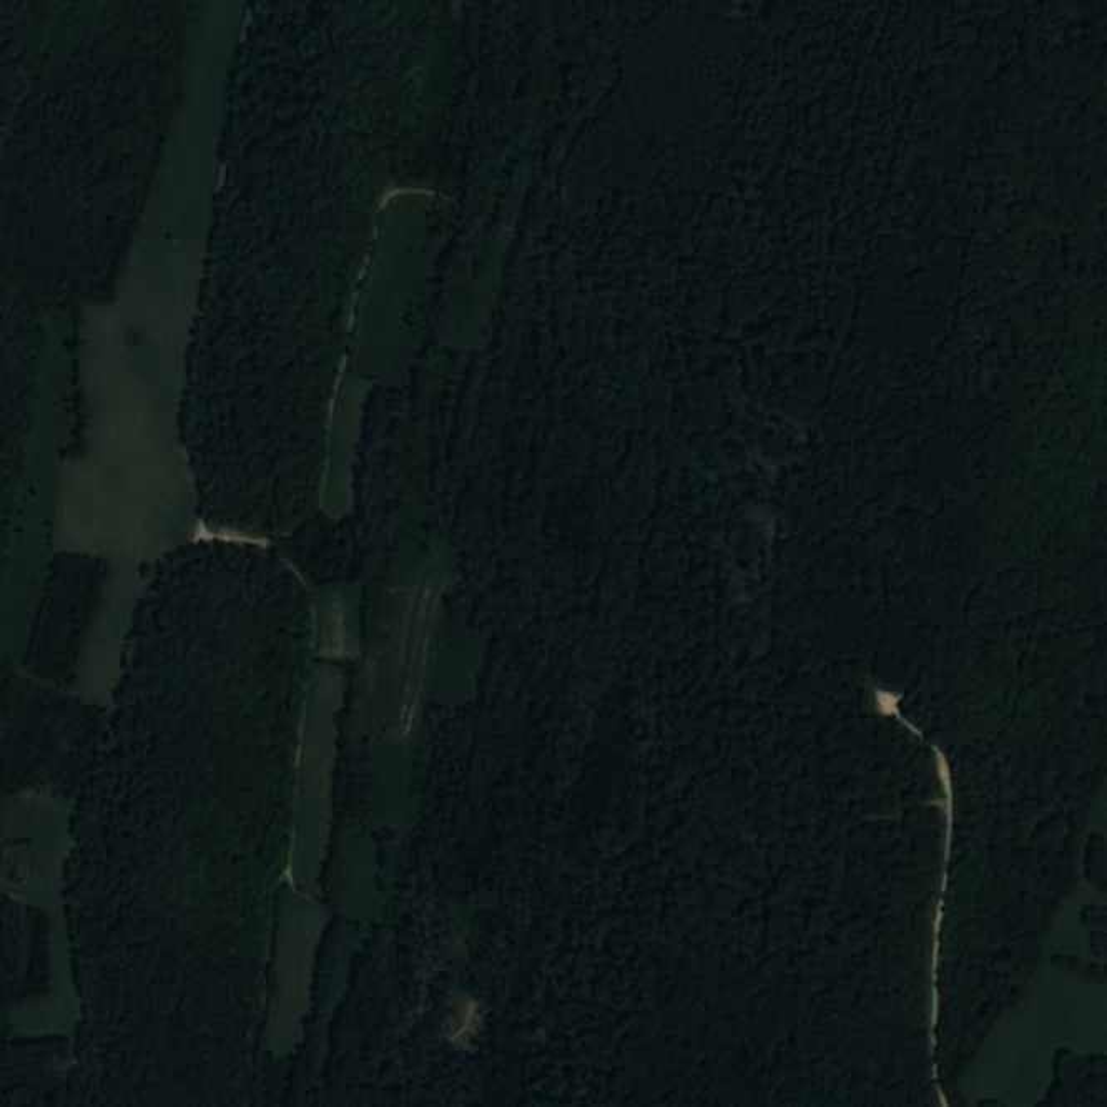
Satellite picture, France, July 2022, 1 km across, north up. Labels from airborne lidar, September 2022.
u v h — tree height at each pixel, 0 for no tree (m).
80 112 13
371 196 13
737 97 20
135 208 12
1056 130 21
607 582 22
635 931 25
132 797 20
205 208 0
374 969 23
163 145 19
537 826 13
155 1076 17
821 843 26
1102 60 28
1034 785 20
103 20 10
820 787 17
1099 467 18
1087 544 18
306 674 18
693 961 19
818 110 25
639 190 21
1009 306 25
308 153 14
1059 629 16
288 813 19
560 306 26
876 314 25
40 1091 21
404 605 0
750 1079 21
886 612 12
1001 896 22
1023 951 20
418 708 0
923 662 16
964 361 26
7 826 0
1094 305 17
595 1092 16
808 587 20
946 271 25
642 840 11
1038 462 16
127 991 19
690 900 25
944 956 12
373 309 0
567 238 17
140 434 0
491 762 28
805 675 25
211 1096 19
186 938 14
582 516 11
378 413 24
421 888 6
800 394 28
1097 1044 0
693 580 28
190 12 17
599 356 26
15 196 10
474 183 27
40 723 7
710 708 18
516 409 8
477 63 24
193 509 0
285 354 17
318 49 19
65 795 8
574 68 19
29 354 15
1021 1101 0
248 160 24
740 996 21
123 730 20
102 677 0
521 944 25
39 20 16
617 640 29
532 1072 10
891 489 25
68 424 0
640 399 27
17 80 15
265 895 19
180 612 21
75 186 19
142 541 0
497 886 28
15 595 0
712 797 23
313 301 14
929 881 18
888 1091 14
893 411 23
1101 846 20
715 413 29
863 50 18
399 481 18
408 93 23
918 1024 14
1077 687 24
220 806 18
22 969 29
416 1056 26
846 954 7
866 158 20
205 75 0
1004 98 31
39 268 15
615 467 9
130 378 0
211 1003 18
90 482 0
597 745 8
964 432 23
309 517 22
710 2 0
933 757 16
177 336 0
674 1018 22
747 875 24
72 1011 0
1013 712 13
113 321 0
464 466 21
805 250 23
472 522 21
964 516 18
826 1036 15
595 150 0
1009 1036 0
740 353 28
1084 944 0
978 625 14
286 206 19
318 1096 25
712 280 30
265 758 17
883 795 12
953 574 13
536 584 13
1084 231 25
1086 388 17
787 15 26
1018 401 20
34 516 0
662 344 23
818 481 29
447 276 27
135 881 23
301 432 22
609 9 29
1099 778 17
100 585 14
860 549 19
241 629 18
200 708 19
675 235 29
